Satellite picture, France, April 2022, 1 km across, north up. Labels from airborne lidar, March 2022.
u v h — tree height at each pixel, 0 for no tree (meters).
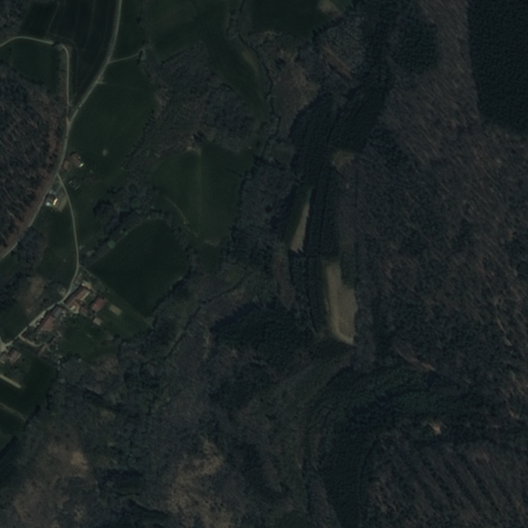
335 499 15
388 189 28
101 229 0
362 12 25
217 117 22
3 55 0
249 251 25
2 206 19
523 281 20
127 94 0
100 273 0
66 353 0
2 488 30
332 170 19
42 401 0
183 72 9
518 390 25
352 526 16
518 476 27
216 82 25
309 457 8
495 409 24
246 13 0
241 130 25
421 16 23
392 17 28
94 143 0
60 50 15
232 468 16
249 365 21
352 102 15
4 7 22
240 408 16
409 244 20
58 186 0
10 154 18
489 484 25
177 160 0
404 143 25
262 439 23
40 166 30
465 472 23
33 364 0
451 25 24
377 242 22
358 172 21
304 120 18
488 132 23
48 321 0
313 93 0
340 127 25
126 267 0
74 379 22
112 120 0
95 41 0
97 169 0
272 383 21
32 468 13
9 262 0
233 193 0
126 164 7
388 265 27
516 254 23
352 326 0
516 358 15
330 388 9
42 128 21
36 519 0
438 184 26
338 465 14
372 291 24
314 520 25
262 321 23
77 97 0
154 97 0
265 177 20
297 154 15
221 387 12
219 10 0
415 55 24
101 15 0
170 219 18
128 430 16
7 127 13
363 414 8
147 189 13
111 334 0
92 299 0
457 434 17
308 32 0
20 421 0
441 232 24
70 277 0
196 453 8
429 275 22
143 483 29
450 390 32
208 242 0
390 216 29
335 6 0
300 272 28
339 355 7
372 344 27
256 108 0
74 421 15
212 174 0
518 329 25
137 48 0
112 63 0
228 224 0
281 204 20
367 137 17
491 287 26
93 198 0
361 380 12
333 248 27
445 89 23
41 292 0
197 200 0
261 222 14
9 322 0
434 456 21
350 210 26
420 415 14
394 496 24
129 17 0
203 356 0
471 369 24
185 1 0
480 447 26
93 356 0
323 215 22
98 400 24
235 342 24
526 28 27
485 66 13
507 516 21
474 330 23
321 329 29
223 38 0
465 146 25
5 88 22
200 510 0
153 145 9
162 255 0
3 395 0
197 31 0
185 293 25
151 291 0
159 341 29
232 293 0
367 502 11
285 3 0
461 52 23
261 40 11
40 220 0
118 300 0
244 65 0
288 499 19
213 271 0
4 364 0
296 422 9
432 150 27
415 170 17
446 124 25
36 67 0
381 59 24
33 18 0
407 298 27
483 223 27
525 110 27
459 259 26
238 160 0
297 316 23
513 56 27
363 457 14
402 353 33
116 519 20
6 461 26
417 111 25
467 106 25
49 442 0
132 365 20
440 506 17
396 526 24
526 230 25
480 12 28
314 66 26
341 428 11
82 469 0
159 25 0
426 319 27
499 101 23
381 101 17
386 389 12
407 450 25
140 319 0
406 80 23
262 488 25
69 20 0
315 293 28
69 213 0
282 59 0
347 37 27
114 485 26
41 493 0
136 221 22
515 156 23
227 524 0
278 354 26
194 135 0
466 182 23
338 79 33
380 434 22
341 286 0
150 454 6
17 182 21
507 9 28
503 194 27
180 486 0
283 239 26
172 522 7
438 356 24
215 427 22
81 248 0
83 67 0
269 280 9
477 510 17
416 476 21
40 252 30
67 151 0
